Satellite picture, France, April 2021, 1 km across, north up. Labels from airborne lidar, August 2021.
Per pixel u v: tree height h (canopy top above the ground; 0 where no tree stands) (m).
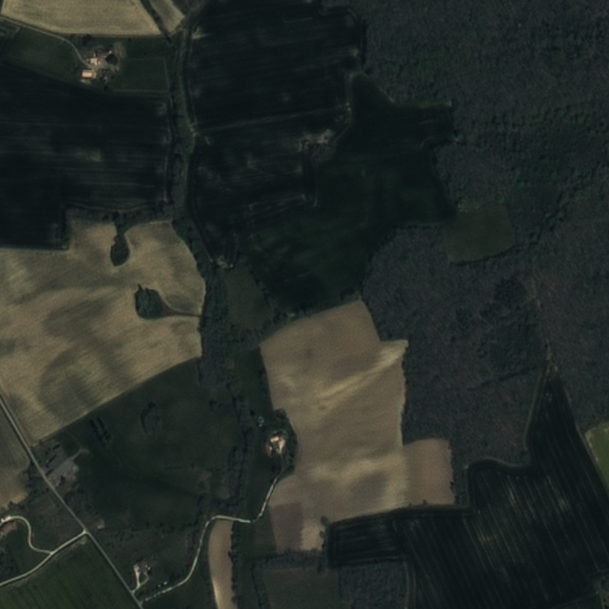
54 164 0
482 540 0
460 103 16
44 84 0
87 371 0
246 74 0
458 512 0
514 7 17
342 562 0
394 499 0
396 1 19
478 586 0
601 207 21
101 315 0
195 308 0
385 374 0
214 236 0
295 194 0
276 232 0
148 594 8
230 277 0
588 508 0
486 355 10
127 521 0
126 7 0
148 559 0
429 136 0
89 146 0
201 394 0
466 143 7
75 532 0
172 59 7
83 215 17
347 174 0
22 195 0
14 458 0
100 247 0
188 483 0
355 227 0
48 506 0
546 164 8
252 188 0
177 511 0
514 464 13
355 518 0
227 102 0
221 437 0
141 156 0
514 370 6
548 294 11
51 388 0
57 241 0
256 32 0
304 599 0
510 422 14
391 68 15
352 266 0
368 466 0
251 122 0
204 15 0
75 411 0
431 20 18
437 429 16
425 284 17
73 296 0
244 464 13
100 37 0
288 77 0
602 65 18
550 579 0
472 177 16
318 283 0
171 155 0
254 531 0
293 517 0
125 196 0
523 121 11
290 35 0
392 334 12
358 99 0
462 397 18
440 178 13
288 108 0
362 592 9
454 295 18
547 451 0
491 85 17
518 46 25
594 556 0
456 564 0
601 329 15
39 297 0
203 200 0
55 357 0
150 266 0
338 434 0
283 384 0
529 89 20
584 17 20
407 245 17
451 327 16
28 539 0
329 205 0
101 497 0
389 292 18
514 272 18
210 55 0
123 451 0
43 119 0
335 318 0
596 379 19
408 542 0
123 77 0
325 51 0
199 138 0
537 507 0
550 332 15
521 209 8
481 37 22
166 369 0
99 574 0
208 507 15
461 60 22
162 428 15
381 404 0
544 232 14
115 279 0
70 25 0
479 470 0
